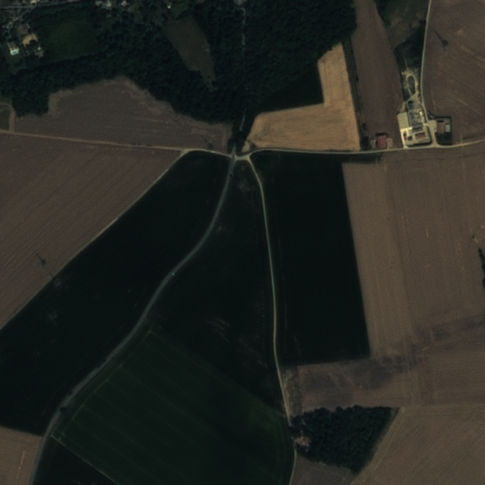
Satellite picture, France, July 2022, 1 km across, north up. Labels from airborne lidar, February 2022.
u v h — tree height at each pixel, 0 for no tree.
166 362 0
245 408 0
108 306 0
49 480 0
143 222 0
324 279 0
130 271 0
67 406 0
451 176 0
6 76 22
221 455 0
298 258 0
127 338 0
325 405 0
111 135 0
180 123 0
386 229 0
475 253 0
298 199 0
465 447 0
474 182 0
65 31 0
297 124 0
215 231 0
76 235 0
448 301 0
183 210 0
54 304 0
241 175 0
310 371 0
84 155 0
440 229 0
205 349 0
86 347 0
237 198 0
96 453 0
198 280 0
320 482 0
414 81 0
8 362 0
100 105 0
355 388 0
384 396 0
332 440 20
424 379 0
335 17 18
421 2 0
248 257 0
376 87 0
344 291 0
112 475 0
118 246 0
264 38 17
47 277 0
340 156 0
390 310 0
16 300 0
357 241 0
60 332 0
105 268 0
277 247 0
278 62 17
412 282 0
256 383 0
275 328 0
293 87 0
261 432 0
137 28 18
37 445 0
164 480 0
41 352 0
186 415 0
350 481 0
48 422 0
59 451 0
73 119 0
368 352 0
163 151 0
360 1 0
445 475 0
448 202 0
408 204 0
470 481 0
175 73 22
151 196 0
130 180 0
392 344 0
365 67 0
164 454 0
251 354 0
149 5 22
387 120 0
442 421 0
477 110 0
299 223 0
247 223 0
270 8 17
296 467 0
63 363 0
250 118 7
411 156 0
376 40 0
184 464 0
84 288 0
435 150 0
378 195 0
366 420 20
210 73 0
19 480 0
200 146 0
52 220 0
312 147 0
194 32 0
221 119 17
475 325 0
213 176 0
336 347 0
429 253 0
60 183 0
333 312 0
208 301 0
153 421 0
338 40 16
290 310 0
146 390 0
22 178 0
